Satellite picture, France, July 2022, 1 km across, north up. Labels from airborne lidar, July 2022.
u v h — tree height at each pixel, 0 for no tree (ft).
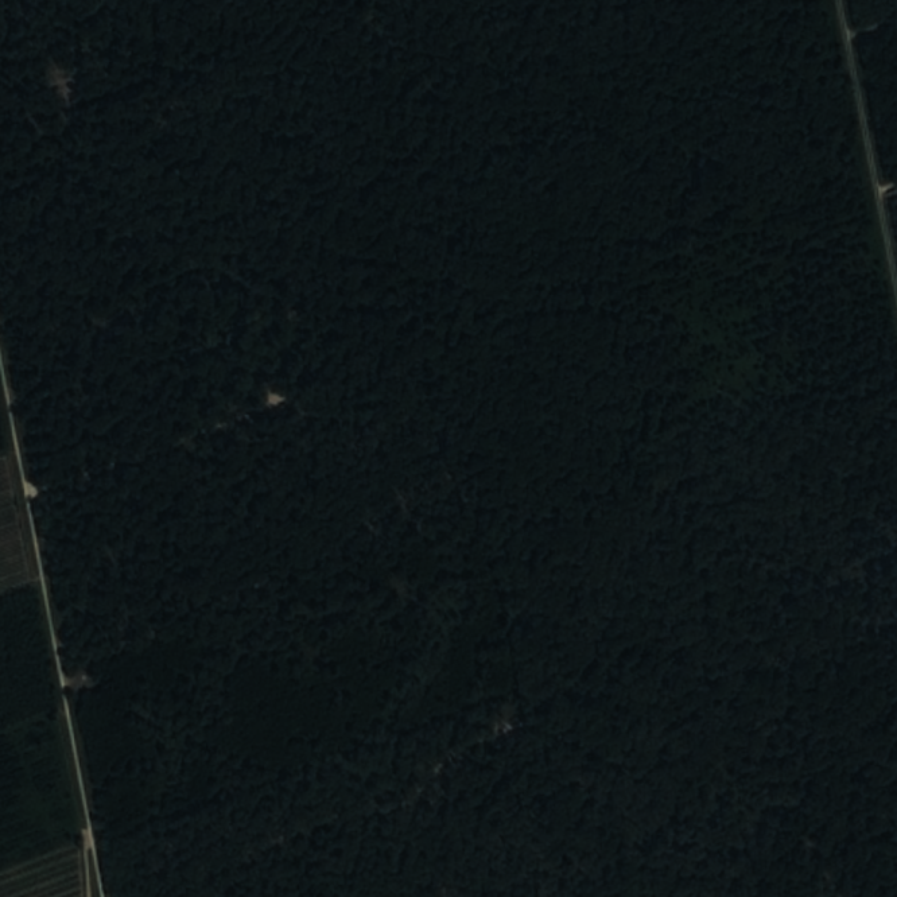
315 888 59
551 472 87
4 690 34
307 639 35
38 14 89
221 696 63
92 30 84
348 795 88
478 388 76
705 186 90
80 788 0
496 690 39
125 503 96
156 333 93
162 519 65
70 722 0
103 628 75
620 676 91
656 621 95
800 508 56
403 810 98
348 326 91
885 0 42
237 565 89
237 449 94
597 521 90
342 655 38
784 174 91
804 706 76
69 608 82
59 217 81
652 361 77
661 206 80
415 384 88
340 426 103
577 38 92
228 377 18
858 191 50
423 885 84
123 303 33
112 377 80
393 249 26
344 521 66
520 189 95
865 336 35
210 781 65
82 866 0
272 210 90
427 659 85
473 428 93
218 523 85
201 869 102
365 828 81
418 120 99
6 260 33
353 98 94
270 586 64
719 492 76
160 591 81
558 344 77
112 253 81
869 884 92
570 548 83
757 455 99
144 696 62
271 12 79
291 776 93
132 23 100
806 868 92
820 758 88
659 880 91
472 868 80
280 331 93
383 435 75
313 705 37
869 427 68
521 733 95
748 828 86
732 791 84
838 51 37
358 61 77
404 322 24
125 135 100
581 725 104
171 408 79
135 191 80
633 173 78
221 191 90
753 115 82
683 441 38
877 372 62
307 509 83
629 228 55
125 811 42
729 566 68
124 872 60
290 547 87
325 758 91
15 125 97
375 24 22
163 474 82
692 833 77
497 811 73
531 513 74
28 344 95
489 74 85
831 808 92
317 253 74
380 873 90
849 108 63
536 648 80
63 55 80
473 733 84
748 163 76
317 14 89
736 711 93
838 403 68
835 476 97
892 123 92
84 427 21
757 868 92
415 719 36
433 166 68
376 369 81
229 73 85
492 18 76
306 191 81
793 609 87
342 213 87
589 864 84
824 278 69
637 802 88
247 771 67
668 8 75
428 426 73
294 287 86
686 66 83
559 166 76
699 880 62
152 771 84
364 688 39
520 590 90
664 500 68
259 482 84
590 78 83
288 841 87
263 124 36
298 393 83
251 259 68
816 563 56
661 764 96
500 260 86
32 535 0
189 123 88
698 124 87
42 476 79
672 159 100
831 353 73
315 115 22
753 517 87
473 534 30
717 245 23
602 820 63
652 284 66
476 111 95
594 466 95
